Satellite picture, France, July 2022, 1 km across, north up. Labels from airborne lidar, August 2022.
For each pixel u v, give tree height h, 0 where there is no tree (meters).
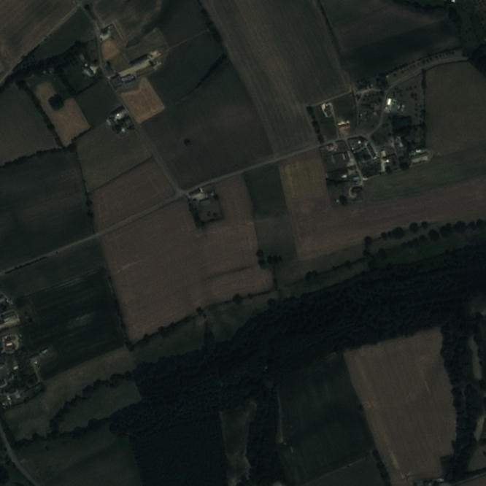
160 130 0
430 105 0
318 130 11
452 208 0
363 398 0
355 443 0
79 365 0
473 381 0
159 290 0
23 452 0
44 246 0
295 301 18
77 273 0
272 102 0
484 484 0
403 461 0
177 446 18
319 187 0
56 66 8
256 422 9
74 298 0
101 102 0
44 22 0
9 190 0
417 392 0
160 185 0
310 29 0
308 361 15
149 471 17
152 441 18
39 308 0
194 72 0
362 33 0
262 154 0
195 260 0
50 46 0
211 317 0
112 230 0
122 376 11
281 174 0
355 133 0
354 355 0
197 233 0
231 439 0
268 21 0
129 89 0
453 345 13
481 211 0
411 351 0
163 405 24
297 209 0
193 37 0
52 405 0
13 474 0
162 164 0
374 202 0
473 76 0
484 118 0
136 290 0
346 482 0
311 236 0
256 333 28
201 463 15
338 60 0
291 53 0
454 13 21
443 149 0
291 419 0
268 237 0
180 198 0
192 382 26
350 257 0
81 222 0
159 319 0
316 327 30
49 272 0
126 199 0
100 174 0
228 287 0
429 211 0
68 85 12
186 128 0
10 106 0
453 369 16
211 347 21
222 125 0
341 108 0
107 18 0
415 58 0
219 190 0
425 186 0
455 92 0
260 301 0
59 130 0
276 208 0
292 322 32
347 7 0
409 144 10
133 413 25
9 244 0
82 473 0
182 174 0
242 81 0
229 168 0
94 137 0
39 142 0
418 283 11
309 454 0
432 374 0
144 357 0
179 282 0
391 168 9
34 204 0
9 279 0
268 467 12
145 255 0
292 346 18
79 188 0
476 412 31
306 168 0
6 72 0
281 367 14
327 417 0
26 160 9
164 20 0
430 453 0
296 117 0
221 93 0
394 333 16
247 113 0
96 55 0
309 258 0
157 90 0
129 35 0
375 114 0
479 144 0
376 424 0
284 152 0
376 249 0
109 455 0
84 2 0
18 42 0
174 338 0
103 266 0
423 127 13
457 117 0
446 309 23
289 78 0
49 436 13
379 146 0
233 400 21
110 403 0
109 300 0
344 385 0
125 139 0
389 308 7
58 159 0
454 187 0
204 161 0
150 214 0
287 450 0
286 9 0
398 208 0
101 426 12
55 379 0
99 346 0
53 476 0
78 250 0
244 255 0
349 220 0
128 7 0
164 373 25
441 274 13
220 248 0
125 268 0
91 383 0
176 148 0
